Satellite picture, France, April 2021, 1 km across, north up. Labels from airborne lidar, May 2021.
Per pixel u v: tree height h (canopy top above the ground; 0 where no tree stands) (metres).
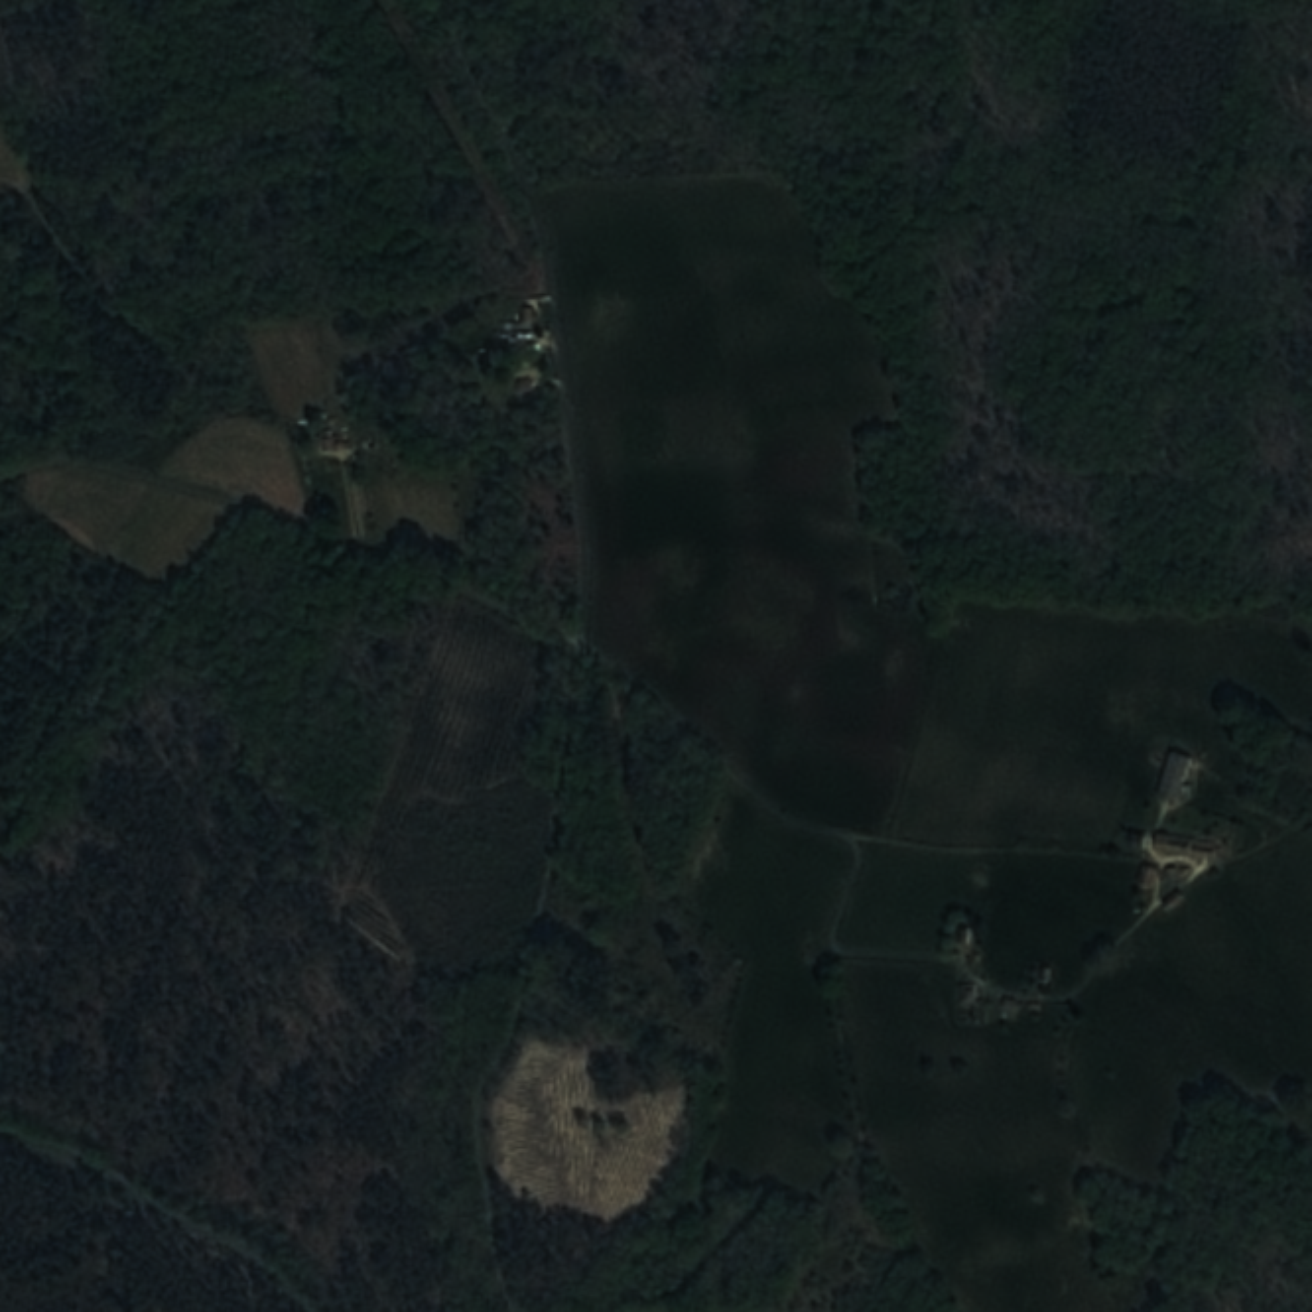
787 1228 17
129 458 20
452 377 11
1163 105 24
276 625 23
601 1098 10
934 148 13
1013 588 24
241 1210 9
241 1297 24
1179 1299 22
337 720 20
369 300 18
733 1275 13
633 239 0
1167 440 12
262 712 24
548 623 16
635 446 0
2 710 16
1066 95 15
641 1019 7
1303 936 0
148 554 0
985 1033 0
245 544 18
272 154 16
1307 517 20
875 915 0
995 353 14
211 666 24
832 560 0
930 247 22
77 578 14
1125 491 14
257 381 12
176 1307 20
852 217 29
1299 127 18
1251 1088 0
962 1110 0
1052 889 0
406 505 0
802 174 17
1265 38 17
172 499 0
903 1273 14
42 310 21
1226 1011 0
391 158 26
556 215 0
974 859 0
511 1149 0
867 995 0
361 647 14
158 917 18
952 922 10
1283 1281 14
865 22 14
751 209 0
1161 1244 21
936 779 0
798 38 16
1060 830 0
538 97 22
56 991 22
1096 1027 0
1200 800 0
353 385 15
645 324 0
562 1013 10
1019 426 7
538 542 12
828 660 0
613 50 18
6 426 22
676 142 12
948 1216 0
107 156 27
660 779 12
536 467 13
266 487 0
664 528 0
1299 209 18
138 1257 19
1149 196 23
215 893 12
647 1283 19
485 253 15
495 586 17
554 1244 22
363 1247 11
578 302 0
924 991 0
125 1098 23
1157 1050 0
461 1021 20
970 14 17
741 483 0
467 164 24
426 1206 18
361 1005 8
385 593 21
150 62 22
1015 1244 0
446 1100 16
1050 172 17
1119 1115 0
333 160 18
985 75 11
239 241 21
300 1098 13
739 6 17
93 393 20
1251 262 17
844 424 0
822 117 21
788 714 0
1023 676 0
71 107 18
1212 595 24
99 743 17
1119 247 20
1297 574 16
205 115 18
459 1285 23
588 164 8
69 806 20
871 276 24
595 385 0
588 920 7
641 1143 0
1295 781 0
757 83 21
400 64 23
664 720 13
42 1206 20
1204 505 17
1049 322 17
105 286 13
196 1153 16
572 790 17
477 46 20
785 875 0
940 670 0
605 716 22
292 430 0
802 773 0
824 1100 0
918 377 18
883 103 18
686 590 0
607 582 0
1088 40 18
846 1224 10
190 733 23
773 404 0
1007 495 11
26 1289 22
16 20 18
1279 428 13
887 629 0
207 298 16
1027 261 11
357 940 22
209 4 21
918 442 17
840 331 0
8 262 19
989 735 0
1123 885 0
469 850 7
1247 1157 21
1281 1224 24
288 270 18
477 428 19
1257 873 0
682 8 8
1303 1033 0
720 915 0
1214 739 0
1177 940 0
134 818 18
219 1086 19
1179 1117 0
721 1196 21
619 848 20
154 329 13
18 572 13
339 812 19
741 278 0
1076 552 16
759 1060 0
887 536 17
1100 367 15
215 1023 17
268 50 18
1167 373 15
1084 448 18
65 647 9
